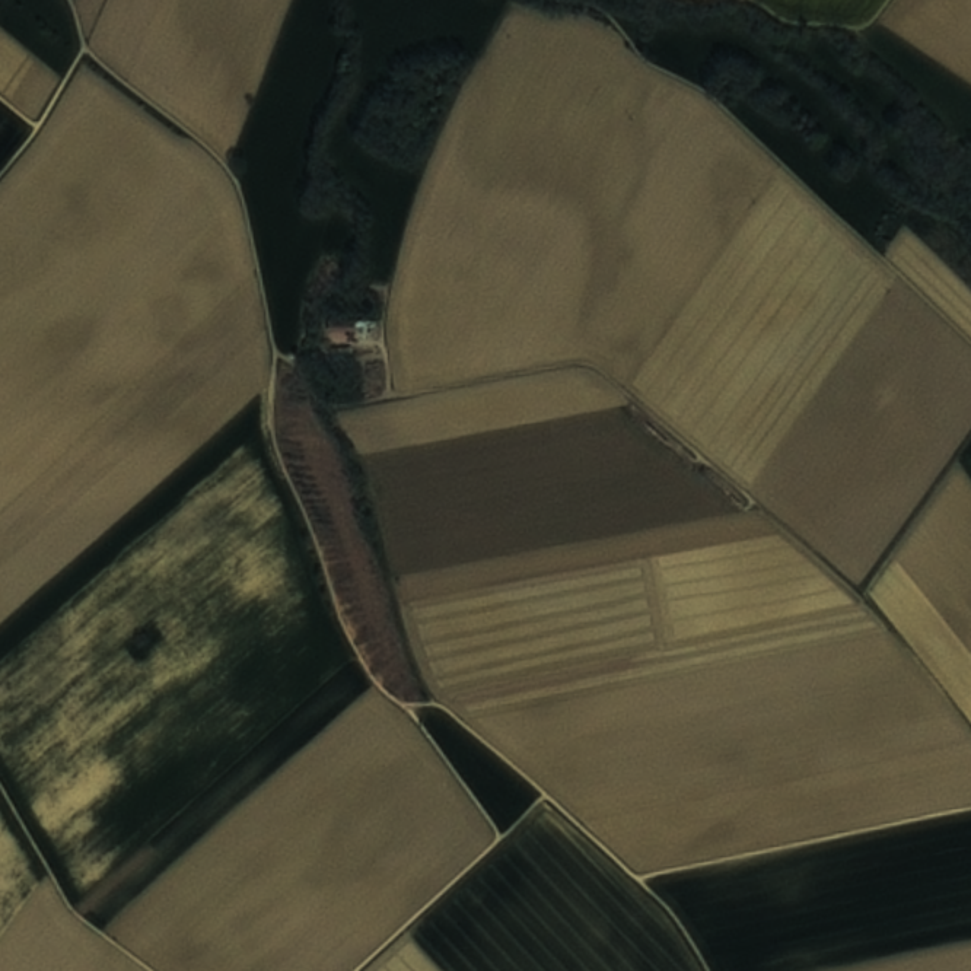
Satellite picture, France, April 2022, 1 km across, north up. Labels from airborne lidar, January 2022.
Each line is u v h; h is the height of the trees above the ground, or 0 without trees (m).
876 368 0
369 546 19
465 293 0
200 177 0
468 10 0
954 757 0
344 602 18
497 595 0
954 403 0
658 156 0
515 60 0
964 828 0
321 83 0
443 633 0
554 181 0
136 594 0
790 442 0
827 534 0
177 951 0
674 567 0
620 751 0
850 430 0
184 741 0
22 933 0
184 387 0
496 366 0
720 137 0
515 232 0
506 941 0
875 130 20
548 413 0
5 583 0
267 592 0
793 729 0
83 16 0
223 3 0
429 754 0
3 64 0
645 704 0
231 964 0
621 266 0
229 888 0
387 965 0
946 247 0
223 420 0
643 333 0
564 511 0
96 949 0
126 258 0
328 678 0
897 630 0
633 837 0
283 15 0
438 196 0
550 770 0
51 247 0
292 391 19
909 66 0
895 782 0
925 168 26
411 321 0
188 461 0
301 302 0
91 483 0
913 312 0
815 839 0
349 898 0
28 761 0
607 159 0
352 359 24
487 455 0
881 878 0
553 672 0
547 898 0
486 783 0
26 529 0
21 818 0
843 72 0
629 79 0
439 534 0
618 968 0
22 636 0
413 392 0
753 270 0
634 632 0
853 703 0
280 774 0
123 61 0
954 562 0
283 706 0
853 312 0
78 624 0
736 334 0
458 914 0
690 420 0
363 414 0
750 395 0
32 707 0
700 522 0
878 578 0
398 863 0
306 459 20
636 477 0
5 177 0
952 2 0
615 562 0
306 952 0
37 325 0
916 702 0
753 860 0
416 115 23
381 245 0
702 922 0
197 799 0
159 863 0
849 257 0
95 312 0
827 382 0
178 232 0
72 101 0
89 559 0
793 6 0
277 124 0
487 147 0
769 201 0
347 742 0
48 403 0
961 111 0
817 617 0
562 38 0
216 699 0
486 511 0
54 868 0
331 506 19
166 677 0
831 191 0
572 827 0
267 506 0
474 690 0
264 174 0
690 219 0
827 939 0
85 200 0
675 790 0
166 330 0
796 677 0
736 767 0
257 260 0
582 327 0
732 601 0
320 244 0
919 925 0
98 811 0
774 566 0
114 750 0
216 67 0
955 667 0
